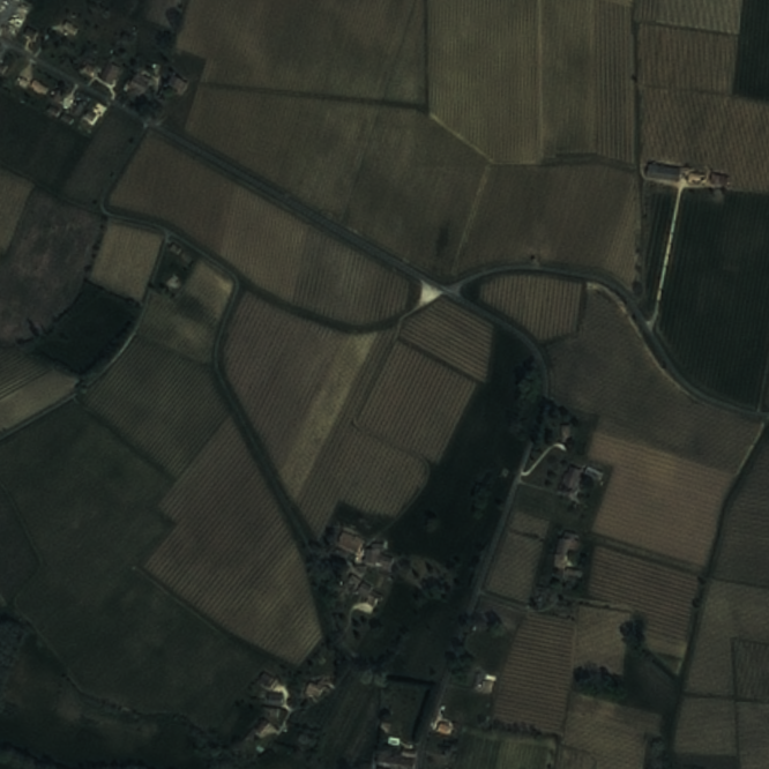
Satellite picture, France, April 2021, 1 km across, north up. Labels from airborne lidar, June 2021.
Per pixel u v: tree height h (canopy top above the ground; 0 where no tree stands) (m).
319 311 0
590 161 0
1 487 0
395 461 0
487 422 0
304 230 0
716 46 0
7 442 0
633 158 0
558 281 0
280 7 0
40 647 0
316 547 13
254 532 0
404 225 0
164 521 0
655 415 0
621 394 0
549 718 0
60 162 0
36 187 0
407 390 0
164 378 0
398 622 0
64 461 0
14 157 0
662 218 0
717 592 0
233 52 0
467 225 0
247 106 0
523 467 0
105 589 0
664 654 0
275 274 0
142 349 0
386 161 0
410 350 0
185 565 0
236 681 0
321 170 0
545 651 0
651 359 0
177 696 0
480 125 0
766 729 0
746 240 0
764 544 0
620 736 0
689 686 0
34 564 0
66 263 0
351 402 0
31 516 0
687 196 0
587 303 0
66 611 0
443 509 0
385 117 0
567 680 0
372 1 0
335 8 0
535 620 0
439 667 0
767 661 0
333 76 0
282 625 0
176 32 13
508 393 0
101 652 0
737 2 0
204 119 0
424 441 0
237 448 0
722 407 0
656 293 0
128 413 0
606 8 0
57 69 0
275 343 0
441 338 0
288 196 0
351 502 0
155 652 0
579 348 0
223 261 0
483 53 0
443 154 0
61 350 0
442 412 0
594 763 0
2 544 0
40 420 0
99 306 0
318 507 0
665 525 0
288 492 0
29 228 0
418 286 0
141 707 0
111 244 0
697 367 0
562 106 0
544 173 0
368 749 0
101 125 0
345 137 0
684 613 0
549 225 0
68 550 0
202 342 0
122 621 0
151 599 0
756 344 0
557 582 10
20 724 0
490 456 0
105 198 0
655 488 0
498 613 0
